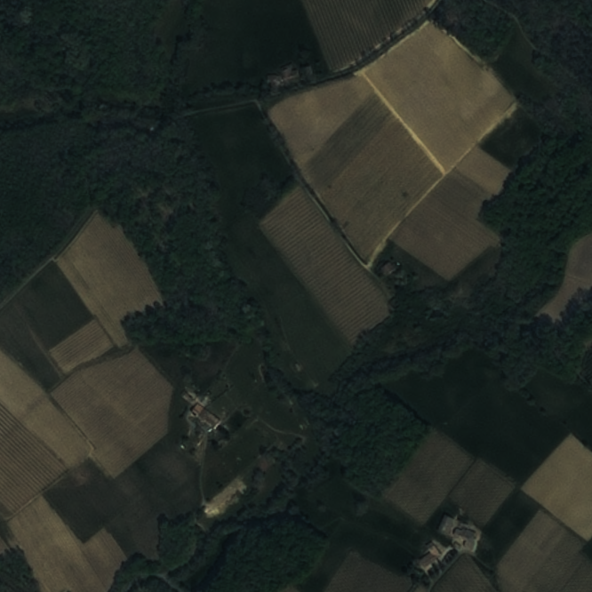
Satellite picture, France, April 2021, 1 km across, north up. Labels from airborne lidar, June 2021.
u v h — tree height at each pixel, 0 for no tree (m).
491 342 15
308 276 0
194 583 0
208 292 21
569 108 21
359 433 26
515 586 0
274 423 0
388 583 0
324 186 0
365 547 0
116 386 0
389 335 7
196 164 22
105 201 13
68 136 22
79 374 0
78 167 22
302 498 0
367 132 0
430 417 0
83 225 0
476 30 17
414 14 0
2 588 22
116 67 27
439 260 0
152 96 20
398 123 0
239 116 0
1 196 16
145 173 19
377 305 0
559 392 0
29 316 0
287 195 11
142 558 15
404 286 6
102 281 0
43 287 0
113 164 20
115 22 22
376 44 0
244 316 21
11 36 24
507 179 0
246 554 24
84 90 22
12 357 0
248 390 0
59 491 0
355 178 0
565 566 0
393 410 24
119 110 11
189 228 25
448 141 0
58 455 0
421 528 0
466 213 0
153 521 0
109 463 0
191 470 0
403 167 0
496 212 19
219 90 14
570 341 28
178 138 15
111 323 0
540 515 0
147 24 15
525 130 0
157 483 0
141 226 27
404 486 0
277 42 0
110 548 0
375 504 0
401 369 26
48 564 0
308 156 0
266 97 18
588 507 0
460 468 0
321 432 20
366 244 0
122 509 0
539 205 24
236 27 0
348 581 0
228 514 0
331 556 0
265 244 0
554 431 0
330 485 0
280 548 29
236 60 0
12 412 0
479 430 0
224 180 0
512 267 22
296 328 0
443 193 0
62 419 0
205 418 0
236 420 0
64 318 0
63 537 0
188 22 12
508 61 0
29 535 0
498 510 0
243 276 0
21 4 23
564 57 22
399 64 0
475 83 0
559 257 20
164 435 0
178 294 22
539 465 0
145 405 0
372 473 24
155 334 21
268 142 0
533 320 22
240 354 0
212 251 25
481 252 0
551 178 30
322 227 0
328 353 0
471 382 0
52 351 0
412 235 0
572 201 26
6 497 0
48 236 16
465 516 0
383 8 0
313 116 0
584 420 0
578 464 0
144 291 0
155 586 23
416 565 8
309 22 0
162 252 19
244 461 0
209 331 21
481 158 0
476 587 0
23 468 0
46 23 20
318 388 0
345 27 0
